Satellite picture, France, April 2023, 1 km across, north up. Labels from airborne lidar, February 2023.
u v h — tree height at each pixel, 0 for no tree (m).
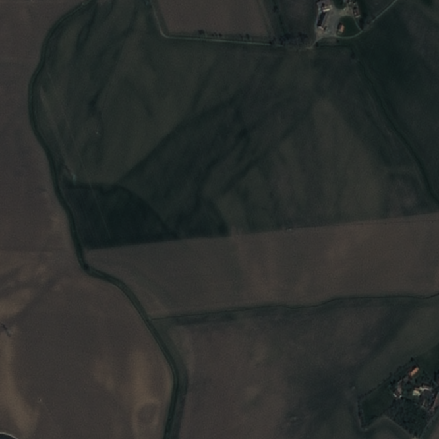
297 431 0
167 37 0
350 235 0
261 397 0
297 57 0
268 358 0
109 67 0
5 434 0
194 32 0
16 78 0
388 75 0
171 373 0
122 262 0
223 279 0
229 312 0
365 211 0
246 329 0
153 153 0
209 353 0
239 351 0
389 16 0
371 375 0
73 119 0
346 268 0
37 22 0
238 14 0
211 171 0
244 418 0
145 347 0
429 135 0
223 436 0
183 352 0
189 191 0
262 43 0
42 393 0
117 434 0
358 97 0
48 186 0
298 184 0
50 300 0
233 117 0
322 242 0
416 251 0
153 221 0
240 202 0
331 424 0
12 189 0
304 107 0
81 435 0
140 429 0
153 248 0
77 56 0
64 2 0
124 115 0
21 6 0
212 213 0
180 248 0
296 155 0
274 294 0
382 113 0
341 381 0
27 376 0
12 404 0
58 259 0
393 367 0
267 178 0
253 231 0
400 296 0
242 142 0
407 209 0
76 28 0
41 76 0
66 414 0
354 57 14
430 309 0
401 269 0
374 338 0
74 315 0
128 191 0
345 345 0
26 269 0
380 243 0
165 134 0
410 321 0
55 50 0
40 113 0
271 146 0
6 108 0
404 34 0
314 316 0
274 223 0
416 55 0
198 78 0
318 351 0
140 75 0
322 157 0
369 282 0
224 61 0
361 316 0
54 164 0
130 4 0
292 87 0
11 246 0
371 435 0
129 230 0
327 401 0
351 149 0
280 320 0
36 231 0
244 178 0
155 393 0
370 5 0
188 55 0
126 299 0
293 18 0
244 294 0
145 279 0
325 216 0
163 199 0
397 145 0
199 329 0
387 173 0
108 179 0
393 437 0
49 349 0
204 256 0
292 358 0
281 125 0
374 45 0
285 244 0
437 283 0
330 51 0
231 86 0
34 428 0
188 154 0
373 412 0
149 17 0
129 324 0
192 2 0
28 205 0
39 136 0
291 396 0
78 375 0
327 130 0
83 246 0
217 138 0
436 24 0
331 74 0
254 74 0
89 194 0
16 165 0
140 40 0
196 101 0
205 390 0
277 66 0
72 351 0
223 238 0
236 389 0
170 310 0
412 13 0
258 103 0
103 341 0
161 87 0
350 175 0
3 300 0
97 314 0
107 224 0
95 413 0
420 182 0
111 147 0
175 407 0
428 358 0
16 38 0
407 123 0
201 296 0
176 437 0
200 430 0
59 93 0
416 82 0
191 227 0
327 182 0
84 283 0
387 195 0
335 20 0
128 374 0
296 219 0
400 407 10
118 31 0
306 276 0
